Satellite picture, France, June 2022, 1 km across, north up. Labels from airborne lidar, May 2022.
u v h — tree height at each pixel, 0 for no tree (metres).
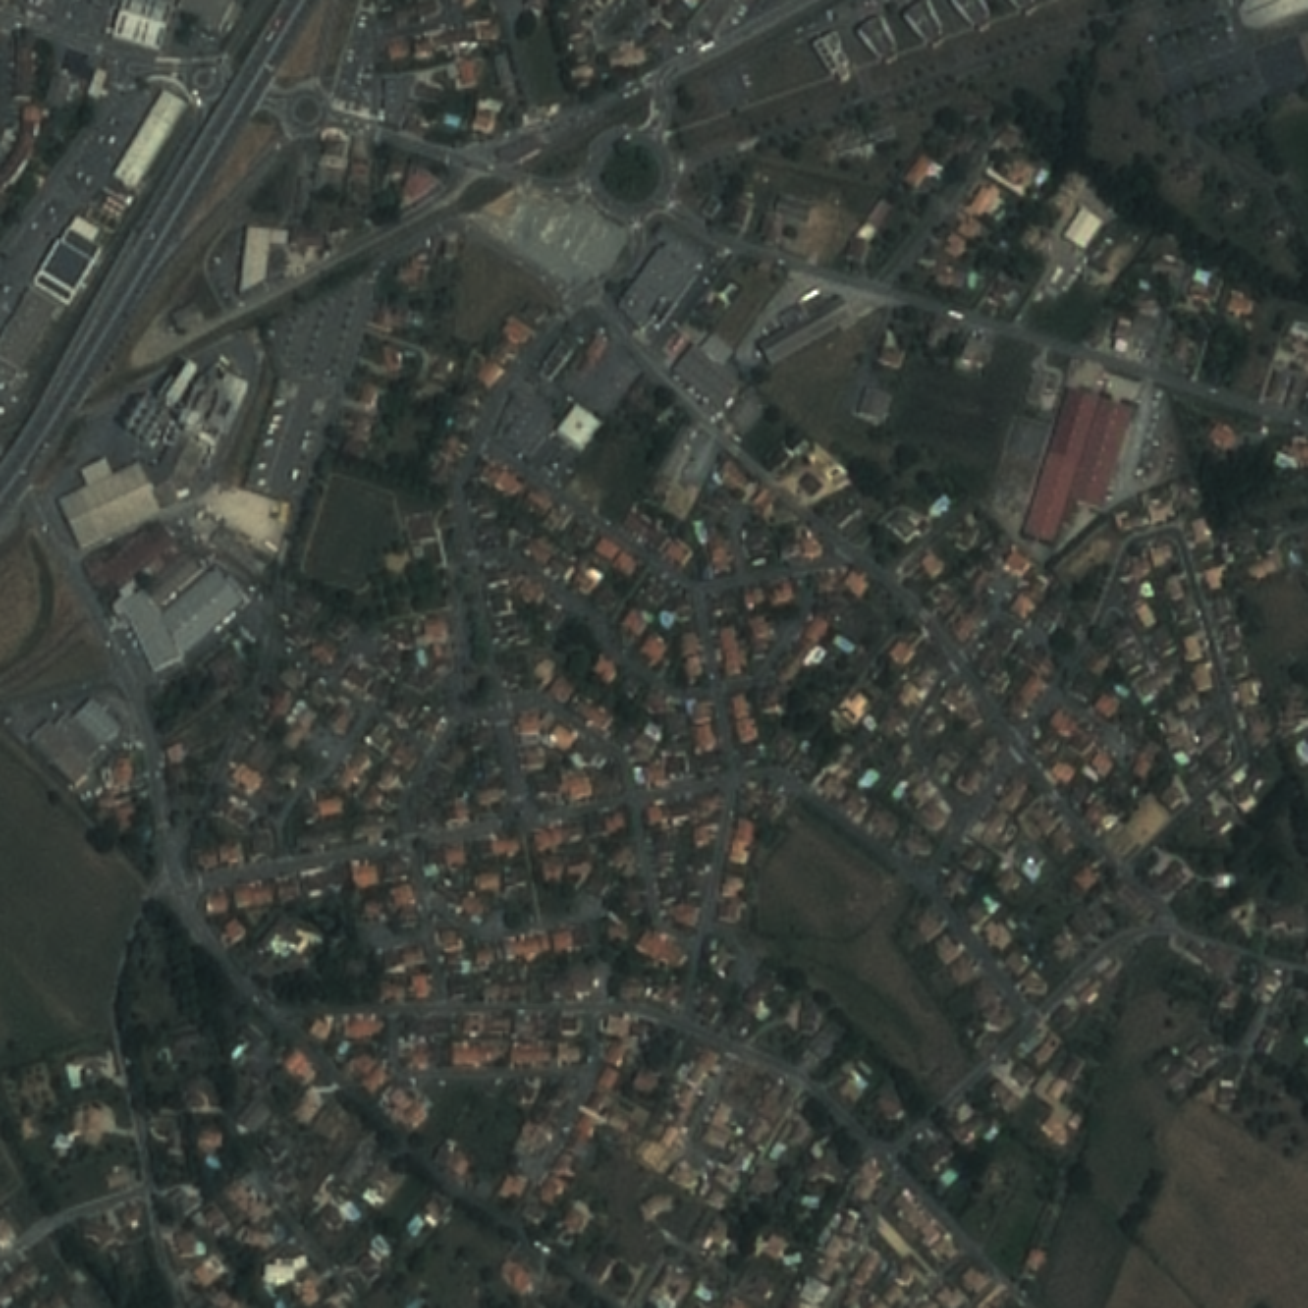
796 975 16
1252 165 0
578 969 0
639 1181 0
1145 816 0
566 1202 6
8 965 0
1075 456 0
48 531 0
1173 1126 0
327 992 9
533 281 0
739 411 0
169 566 0
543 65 0
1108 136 0
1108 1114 0
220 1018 17
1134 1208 12
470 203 0
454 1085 0
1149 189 13
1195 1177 0
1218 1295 0
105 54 0
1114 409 0
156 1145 6
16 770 0
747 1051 0
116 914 0
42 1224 0
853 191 0
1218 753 0
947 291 7
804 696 12
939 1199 6
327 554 0
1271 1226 0
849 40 0
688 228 0
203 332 0
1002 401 0
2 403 0
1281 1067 8
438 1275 0
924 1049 0
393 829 8
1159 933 0
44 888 0
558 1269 7
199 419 0
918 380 0
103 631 0
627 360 0
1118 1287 0
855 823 0
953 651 0
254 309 0
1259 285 9
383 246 0
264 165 0
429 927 0
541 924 0
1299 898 15
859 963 0
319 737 0
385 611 11
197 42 0
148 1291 7
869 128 7
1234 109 0
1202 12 0
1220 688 0
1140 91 0
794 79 0
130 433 0
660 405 9
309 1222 11
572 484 0
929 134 11
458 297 8
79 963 0
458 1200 11
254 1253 11
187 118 0
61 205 0
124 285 0
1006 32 0
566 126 0
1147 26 0
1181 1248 0
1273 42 0
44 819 0
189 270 0
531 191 0
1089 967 0
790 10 0
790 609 7
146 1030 15
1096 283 0
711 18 0
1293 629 0
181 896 0
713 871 0
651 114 0
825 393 0
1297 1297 0
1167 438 0
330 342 0
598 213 0
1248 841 17
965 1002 0
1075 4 0
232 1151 14
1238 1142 0
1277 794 14
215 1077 13
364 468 6
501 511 10
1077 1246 0
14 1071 8
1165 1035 0
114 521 0
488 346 6
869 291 0
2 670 0
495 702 0
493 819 0
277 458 0
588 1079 0
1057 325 0
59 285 0
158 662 0
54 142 8
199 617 0
